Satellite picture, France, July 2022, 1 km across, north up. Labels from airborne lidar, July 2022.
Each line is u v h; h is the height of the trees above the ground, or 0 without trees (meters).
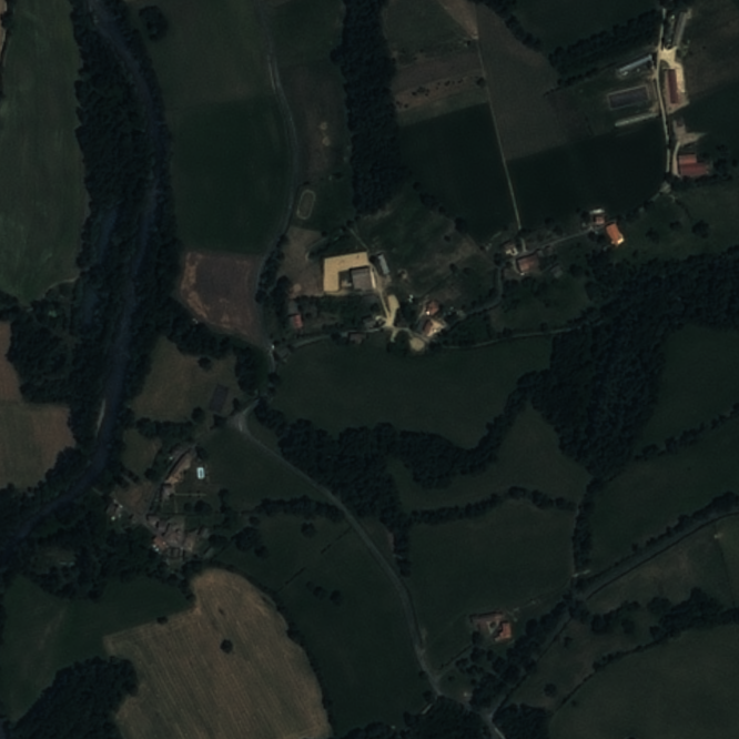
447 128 0
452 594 0
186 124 0
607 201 0
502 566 0
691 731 0
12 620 0
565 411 20
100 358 22
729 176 8
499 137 0
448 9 0
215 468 0
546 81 0
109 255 18
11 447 0
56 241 0
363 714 0
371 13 18
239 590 0
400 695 0
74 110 0
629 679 0
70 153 0
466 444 0
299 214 0
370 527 0
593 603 0
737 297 17
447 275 0
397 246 0
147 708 0
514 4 7
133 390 18
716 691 0
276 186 0
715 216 0
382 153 11
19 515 17
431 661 0
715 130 0
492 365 0
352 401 0
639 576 0
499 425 11
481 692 16
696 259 14
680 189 15
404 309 14
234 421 0
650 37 6
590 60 7
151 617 0
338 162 0
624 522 0
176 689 0
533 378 15
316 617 0
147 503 0
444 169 0
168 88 0
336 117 0
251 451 0
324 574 0
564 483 0
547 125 0
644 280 23
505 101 0
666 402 0
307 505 23
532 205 0
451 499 0
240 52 0
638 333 22
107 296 8
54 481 22
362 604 0
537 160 0
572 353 14
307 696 0
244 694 0
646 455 14
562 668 0
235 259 0
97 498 0
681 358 0
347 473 21
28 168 0
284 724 0
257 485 0
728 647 0
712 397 0
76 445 0
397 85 0
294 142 0
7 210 0
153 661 0
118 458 10
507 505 0
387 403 0
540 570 0
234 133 0
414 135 0
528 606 0
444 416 0
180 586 10
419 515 15
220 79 0
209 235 0
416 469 18
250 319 0
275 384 15
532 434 0
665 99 0
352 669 0
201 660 0
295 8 0
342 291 0
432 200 17
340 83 0
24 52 0
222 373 0
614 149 0
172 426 14
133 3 0
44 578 14
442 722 9
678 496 0
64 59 0
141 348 19
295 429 19
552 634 14
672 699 0
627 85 0
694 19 0
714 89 0
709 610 15
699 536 0
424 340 0
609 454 22
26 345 15
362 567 0
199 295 0
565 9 0
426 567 0
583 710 0
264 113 0
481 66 0
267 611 0
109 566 24
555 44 0
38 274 0
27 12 0
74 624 0
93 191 20
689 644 0
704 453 0
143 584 0
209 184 0
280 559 0
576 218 0
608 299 20
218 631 0
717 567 0
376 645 0
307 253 0
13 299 8
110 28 0
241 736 0
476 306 10
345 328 7
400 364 0
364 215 13
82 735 16
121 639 0
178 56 0
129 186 20
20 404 0
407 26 0
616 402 7
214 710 0
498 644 0
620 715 0
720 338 0
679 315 19
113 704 22
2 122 0
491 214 0
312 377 0
